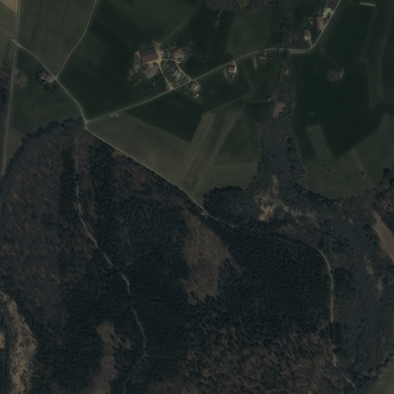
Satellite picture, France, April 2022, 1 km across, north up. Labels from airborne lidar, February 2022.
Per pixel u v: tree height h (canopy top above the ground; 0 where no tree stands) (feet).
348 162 0
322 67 0
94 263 55
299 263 89
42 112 0
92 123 0
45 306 83
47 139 114
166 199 75
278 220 50
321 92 0
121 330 88
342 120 0
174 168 0
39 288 88
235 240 94
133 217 91
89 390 51
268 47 0
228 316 62
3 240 107
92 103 0
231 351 22
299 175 52
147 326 74
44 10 0
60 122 0
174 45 0
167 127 0
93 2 0
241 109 0
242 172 0
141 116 0
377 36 0
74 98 0
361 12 0
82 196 40
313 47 0
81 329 54
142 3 0
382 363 0
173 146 0
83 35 0
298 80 0
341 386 76
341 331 109
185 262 82
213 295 0
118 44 0
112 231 122
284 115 30
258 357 97
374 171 0
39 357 51
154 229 94
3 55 0
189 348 53
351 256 27
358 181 0
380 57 0
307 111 0
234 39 0
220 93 0
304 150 0
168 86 0
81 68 0
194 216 80
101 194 112
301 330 60
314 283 81
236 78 0
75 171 59
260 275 83
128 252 73
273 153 20
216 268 0
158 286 86
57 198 79
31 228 98
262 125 0
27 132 0
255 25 0
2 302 23
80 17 0
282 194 22
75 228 50
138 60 0
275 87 0
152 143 0
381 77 0
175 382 56
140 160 0
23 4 0
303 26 0
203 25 0
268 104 0
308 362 104
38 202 97
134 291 76
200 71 0
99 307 65
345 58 0
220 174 0
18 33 0
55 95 0
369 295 20
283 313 85
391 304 28
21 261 78
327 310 93
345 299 36
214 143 0
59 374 64
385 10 0
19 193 91
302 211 31
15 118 0
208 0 68
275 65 0
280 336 53
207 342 42
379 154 0
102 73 0
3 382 50
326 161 0
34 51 0
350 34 0
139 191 71
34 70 0
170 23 0
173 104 0
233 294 80
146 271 79
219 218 83
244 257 83
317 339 102
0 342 0
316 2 0
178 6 0
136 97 0
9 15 0
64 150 86
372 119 0
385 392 0
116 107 0
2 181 77
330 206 74
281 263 90
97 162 64
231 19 0
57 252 77
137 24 0
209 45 0
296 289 94
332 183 0
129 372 55
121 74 0
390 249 0
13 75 0
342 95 0
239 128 0
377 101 0
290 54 37
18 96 0
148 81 0
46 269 86
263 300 82
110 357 0
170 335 72
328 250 87
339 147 0
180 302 71
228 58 0
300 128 0
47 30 0
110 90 0
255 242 94
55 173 82
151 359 46
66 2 0
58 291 90
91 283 68
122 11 0
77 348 82
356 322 29
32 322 87
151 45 0
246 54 0
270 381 45
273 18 0
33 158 91
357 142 0
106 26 0
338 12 0
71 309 62
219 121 0
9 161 0
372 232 54
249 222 47
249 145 0
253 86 0
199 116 0
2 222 94
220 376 32
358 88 0
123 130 0
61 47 0
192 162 0
